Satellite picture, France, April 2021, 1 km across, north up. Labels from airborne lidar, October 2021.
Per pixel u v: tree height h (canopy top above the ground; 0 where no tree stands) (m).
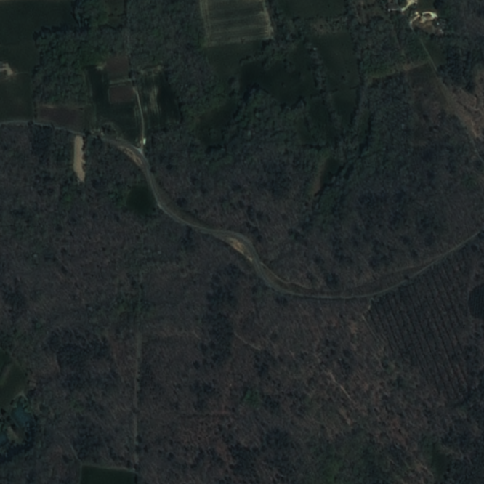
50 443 18
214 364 14
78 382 15
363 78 16
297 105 8
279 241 20
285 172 22
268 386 11
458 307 8
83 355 25
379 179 28
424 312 10
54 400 20
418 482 16
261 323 21
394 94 20
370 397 16
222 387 8
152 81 0
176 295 10
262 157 21
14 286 13
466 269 7
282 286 0
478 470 26
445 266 10
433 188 17
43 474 16
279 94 0
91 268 9
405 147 16
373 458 19
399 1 7
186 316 17
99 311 15
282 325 17
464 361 6
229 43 0
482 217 10
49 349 17
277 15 22
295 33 0
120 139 0
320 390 12
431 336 9
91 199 12
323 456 27
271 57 13
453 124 14
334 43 0
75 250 10
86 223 14
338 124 21
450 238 12
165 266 23
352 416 22
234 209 19
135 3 15
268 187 24
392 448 13
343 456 28
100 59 15
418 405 14
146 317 20
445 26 11
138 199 0
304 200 20
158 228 12
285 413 12
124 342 7
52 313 16
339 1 0
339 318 11
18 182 15
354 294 11
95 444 23
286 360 13
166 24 22
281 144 22
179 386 9
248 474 20
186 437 7
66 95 16
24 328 17
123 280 9
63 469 9
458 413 18
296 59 0
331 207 19
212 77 19
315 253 20
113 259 10
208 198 24
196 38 21
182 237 15
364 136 0
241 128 15
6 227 20
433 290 7
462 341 7
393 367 17
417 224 19
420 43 18
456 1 20
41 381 11
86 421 18
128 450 16
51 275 16
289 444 27
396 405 17
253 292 11
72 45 29
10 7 0
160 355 11
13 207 14
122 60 0
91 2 21
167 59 19
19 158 8
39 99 12
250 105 25
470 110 0
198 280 7
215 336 7
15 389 0
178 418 6
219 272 14
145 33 21
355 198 20
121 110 0
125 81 0
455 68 19
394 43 18
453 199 16
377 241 20
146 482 12
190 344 10
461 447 9
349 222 24
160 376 10
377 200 16
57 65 17
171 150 17
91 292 10
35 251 15
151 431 10
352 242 17
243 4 0
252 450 13
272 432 16
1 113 0
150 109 0
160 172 10
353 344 0
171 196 8
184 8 24
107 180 15
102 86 0
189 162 18
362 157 17
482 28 14
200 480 10
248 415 12
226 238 0
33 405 16
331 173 0
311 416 16
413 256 13
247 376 9
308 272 16
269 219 19
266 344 7
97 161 7
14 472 18
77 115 0
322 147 20
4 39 0
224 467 23
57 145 12
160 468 15
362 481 26
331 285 13
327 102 16
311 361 13
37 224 15
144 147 0
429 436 13
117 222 15
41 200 8
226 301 29
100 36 23
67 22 0
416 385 10
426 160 10
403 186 20
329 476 29
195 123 18
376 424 14
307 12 0
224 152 15
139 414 18
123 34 20
